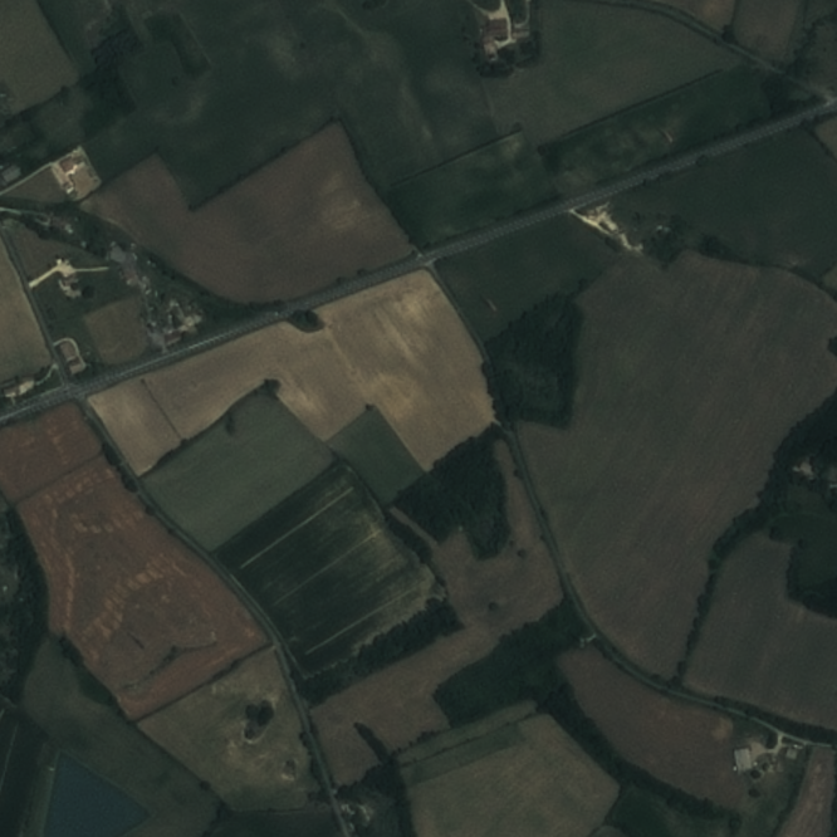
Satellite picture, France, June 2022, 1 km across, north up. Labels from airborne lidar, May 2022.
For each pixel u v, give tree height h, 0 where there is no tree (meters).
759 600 0
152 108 0
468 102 0
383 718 0
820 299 0
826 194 0
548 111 0
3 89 0
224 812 19
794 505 6
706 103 0
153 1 0
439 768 0
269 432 0
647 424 0
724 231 0
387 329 0
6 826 0
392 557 0
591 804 0
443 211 0
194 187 0
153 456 0
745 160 0
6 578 0
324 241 0
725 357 0
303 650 0
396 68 0
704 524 0
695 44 0
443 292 0
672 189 0
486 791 0
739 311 0
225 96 0
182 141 0
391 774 16
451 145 0
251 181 0
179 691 0
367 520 0
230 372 0
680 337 0
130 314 0
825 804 0
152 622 0
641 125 0
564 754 0
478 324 0
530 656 10
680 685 7
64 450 0
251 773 0
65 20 0
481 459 10
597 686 0
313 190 0
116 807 0
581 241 0
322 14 0
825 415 8
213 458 0
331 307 0
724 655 0
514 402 8
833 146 0
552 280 0
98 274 0
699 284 0
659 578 0
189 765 0
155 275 0
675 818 0
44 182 0
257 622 0
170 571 0
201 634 0
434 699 9
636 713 0
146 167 0
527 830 0
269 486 0
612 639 0
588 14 0
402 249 0
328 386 0
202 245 0
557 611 7
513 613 0
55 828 0
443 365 0
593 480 0
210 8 0
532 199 0
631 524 0
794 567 11
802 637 0
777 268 0
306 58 0
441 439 0
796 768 0
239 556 0
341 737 0
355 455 0
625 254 0
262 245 0
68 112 0
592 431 0
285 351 0
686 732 0
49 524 0
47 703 0
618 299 0
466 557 0
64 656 10
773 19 0
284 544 0
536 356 11
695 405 0
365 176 9
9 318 0
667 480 0
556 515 0
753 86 0
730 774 0
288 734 0
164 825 0
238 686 0
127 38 10
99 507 0
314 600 0
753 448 0
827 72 0
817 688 0
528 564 0
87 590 0
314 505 0
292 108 0
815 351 0
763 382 0
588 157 0
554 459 0
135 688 0
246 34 0
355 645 0
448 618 17
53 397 0
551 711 13
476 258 0
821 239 0
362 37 0
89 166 0
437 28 0
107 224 0
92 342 0
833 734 13
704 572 0
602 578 0
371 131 0
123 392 0
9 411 0
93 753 0
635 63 0
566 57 0
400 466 0
